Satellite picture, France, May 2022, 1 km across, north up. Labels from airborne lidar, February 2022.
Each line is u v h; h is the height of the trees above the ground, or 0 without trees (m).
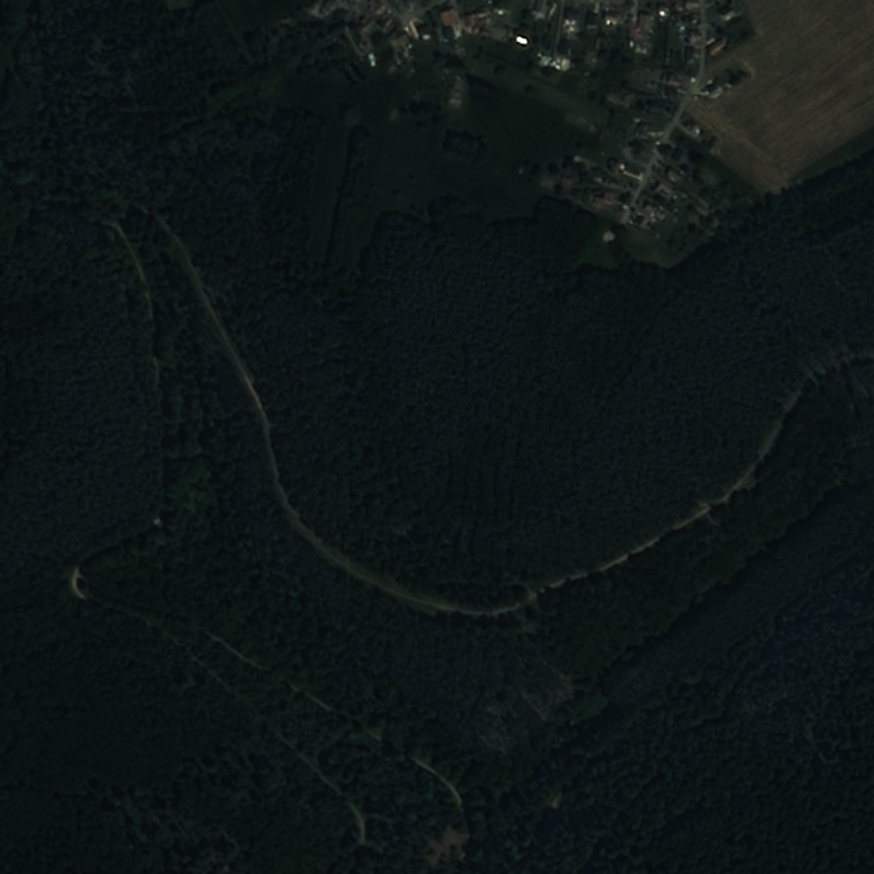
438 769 19
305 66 7
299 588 18
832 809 31
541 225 16
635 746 33
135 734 16
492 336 23
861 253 23
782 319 21
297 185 12
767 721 29
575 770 17
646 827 20
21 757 13
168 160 31
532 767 24
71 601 16
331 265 11
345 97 0
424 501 16
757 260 23
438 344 23
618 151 0
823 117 0
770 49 0
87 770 15
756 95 0
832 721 10
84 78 27
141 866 8
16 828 12
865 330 22
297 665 29
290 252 9
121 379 28
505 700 20
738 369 22
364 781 14
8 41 15
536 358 22
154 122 9
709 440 22
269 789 8
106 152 28
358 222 0
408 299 21
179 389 35
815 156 0
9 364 28
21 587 16
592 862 30
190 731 13
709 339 22
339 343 14
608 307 21
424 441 22
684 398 18
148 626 10
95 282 30
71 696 13
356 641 27
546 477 19
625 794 26
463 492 15
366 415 23
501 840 35
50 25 28
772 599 30
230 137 18
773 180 0
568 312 18
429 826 14
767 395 20
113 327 30
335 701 7
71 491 22
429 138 0
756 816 30
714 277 22
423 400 23
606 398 22
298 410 24
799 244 24
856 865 27
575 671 19
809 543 34
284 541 21
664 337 24
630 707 32
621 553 17
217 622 16
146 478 26
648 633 9
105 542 21
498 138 0
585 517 22
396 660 23
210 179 29
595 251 0
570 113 0
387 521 21
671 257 0
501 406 20
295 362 26
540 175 12
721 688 26
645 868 10
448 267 20
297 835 21
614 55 8
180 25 24
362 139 22
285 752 8
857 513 30
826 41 0
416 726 16
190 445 32
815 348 22
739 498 13
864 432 19
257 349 23
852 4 0
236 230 27
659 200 10
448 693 23
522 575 20
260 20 0
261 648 13
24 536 29
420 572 31
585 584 14
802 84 0
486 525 18
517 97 0
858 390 18
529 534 20
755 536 10
